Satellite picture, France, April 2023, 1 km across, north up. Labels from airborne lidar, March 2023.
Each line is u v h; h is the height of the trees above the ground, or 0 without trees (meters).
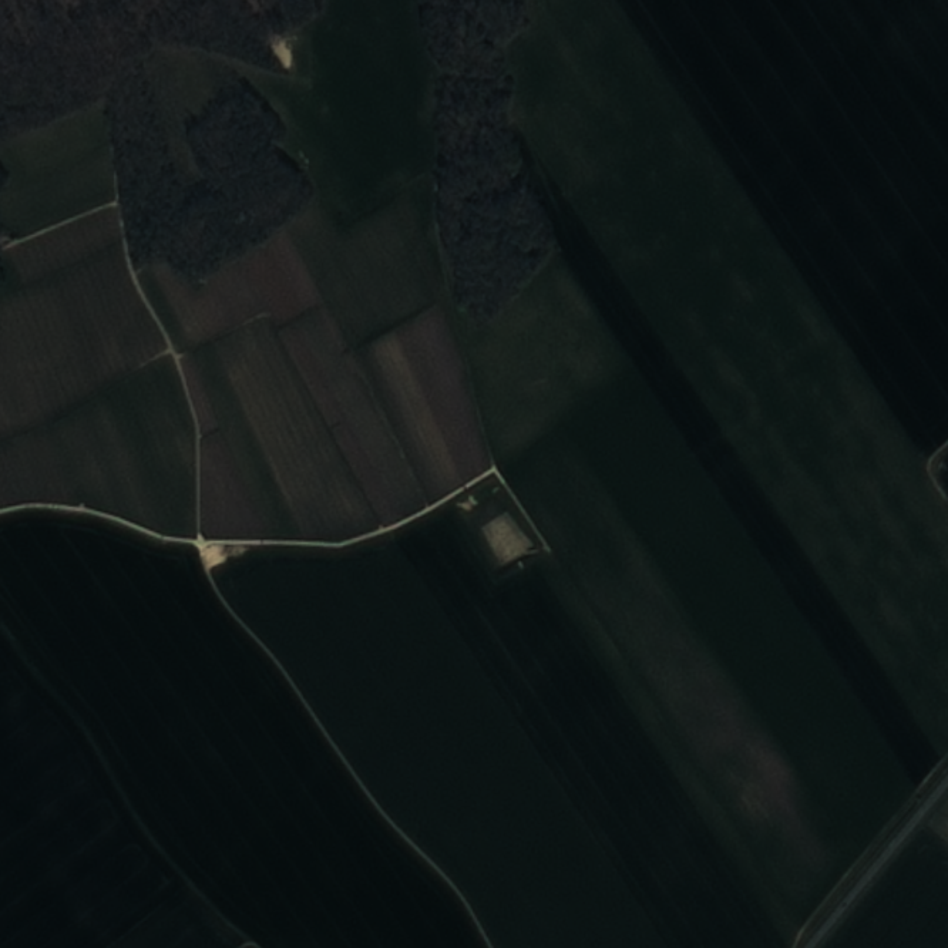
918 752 0
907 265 0
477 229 27
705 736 0
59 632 0
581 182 0
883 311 0
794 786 0
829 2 0
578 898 0
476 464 0
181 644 0
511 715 0
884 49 0
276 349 0
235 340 0
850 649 0
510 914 0
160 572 0
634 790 0
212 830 0
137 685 0
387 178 0
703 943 0
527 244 19
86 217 0
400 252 0
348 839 0
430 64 0
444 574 0
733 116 0
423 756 0
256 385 0
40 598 0
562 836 0
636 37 0
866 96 0
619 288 0
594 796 0
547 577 0
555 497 0
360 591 0
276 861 0
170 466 0
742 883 0
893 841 0
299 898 0
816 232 0
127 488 0
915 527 0
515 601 0
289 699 0
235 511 0
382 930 0
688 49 0
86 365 0
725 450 0
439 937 0
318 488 0
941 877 0
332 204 0
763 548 0
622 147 0
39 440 0
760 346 0
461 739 0
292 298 0
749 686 0
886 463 0
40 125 18
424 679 0
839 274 0
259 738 0
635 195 0
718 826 0
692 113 0
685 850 0
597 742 0
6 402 0
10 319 0
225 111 20
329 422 0
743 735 0
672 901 0
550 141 0
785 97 0
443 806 0
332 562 0
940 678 0
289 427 0
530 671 0
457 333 0
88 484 0
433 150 0
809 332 0
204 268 20
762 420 0
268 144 18
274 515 0
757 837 0
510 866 0
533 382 0
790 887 0
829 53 0
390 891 0
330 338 0
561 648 0
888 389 0
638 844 0
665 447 0
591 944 0
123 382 0
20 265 0
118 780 0
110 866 0
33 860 0
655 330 0
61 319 0
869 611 0
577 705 0
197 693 0
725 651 0
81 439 0
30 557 0
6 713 0
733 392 0
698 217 0
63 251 0
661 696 0
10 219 0
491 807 0
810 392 0
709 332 0
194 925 0
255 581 0
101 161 0
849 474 0
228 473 0
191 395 0
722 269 0
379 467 0
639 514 0
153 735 0
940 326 0
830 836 0
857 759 0
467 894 0
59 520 0
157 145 17
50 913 0
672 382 0
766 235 0
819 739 0
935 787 0
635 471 0
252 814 0
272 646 0
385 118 0
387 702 0
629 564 0
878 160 0
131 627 0
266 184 22
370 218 0
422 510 0
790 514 0
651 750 0
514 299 15
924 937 0
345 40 0
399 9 0
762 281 0
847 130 0
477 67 22
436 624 0
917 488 0
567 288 0
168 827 0
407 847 0
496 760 0
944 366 0
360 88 0
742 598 0
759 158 0
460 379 0
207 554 0
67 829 0
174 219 18
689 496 0
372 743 0
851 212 0
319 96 0
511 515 0
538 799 0
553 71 0
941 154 0
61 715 0
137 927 0
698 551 0
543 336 0
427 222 0
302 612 0
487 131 25
